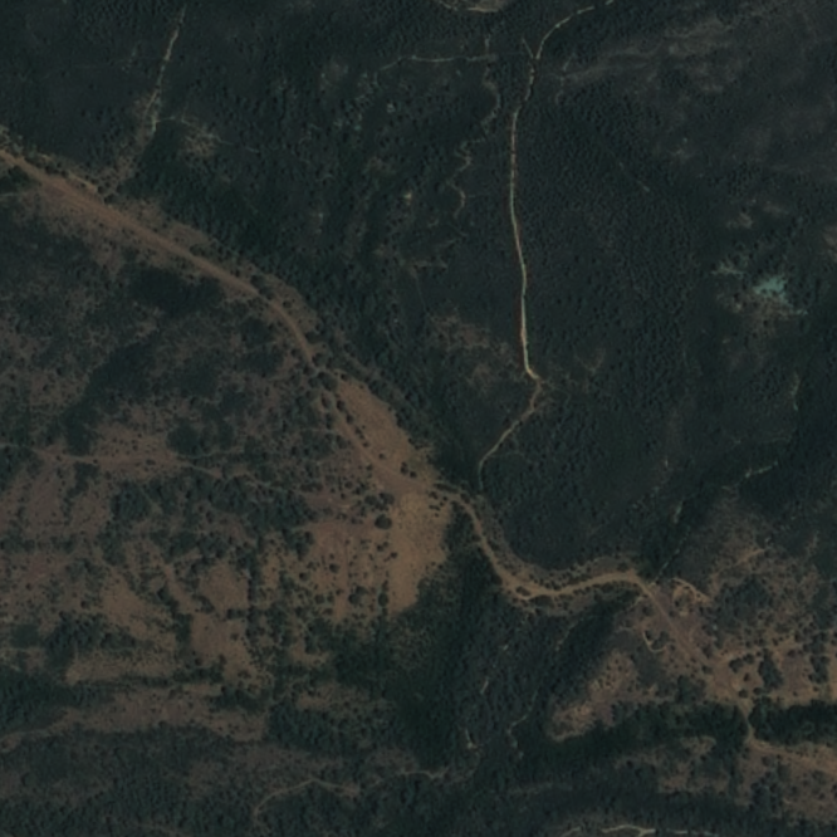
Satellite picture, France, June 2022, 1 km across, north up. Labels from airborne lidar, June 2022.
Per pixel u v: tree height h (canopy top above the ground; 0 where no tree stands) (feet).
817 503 20
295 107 36
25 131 22
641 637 0
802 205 22
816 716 33
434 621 37
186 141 0
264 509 47
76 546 32
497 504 25
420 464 0
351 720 26
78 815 26
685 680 33
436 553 0
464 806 18
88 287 26
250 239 22
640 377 21
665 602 0
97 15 41
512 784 47
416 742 30
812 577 0
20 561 0
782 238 32
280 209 25
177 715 0
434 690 27
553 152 34
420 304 0
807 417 22
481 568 29
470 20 40
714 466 25
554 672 20
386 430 0
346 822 59
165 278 24
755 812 49
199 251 28
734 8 21
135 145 46
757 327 0
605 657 27
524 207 30
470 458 23
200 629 0
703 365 23
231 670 0
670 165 35
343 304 46
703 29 0
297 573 0
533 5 49
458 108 34
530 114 38
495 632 38
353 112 35
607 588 27
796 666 0
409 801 60
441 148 43
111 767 24
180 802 34
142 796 23
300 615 42
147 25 23
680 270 43
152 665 0
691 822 36
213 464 31
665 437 0
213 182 44
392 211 33
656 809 23
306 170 31
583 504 41
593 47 32
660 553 47
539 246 32
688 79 37
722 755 33
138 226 0
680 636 0
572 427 36
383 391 54
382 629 21
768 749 0
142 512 41
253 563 51
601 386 33
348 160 17
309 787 22
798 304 41
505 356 0
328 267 24
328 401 47
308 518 35
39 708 37
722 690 0
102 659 0
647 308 23
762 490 32
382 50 35
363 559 0
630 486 0
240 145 33
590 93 48
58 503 0
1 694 41
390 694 34
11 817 24
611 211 30
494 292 19
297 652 0
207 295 19
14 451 45
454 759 45
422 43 32
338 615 0
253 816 39
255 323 21
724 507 0
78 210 0
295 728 54
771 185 30
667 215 38
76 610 0
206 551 36
